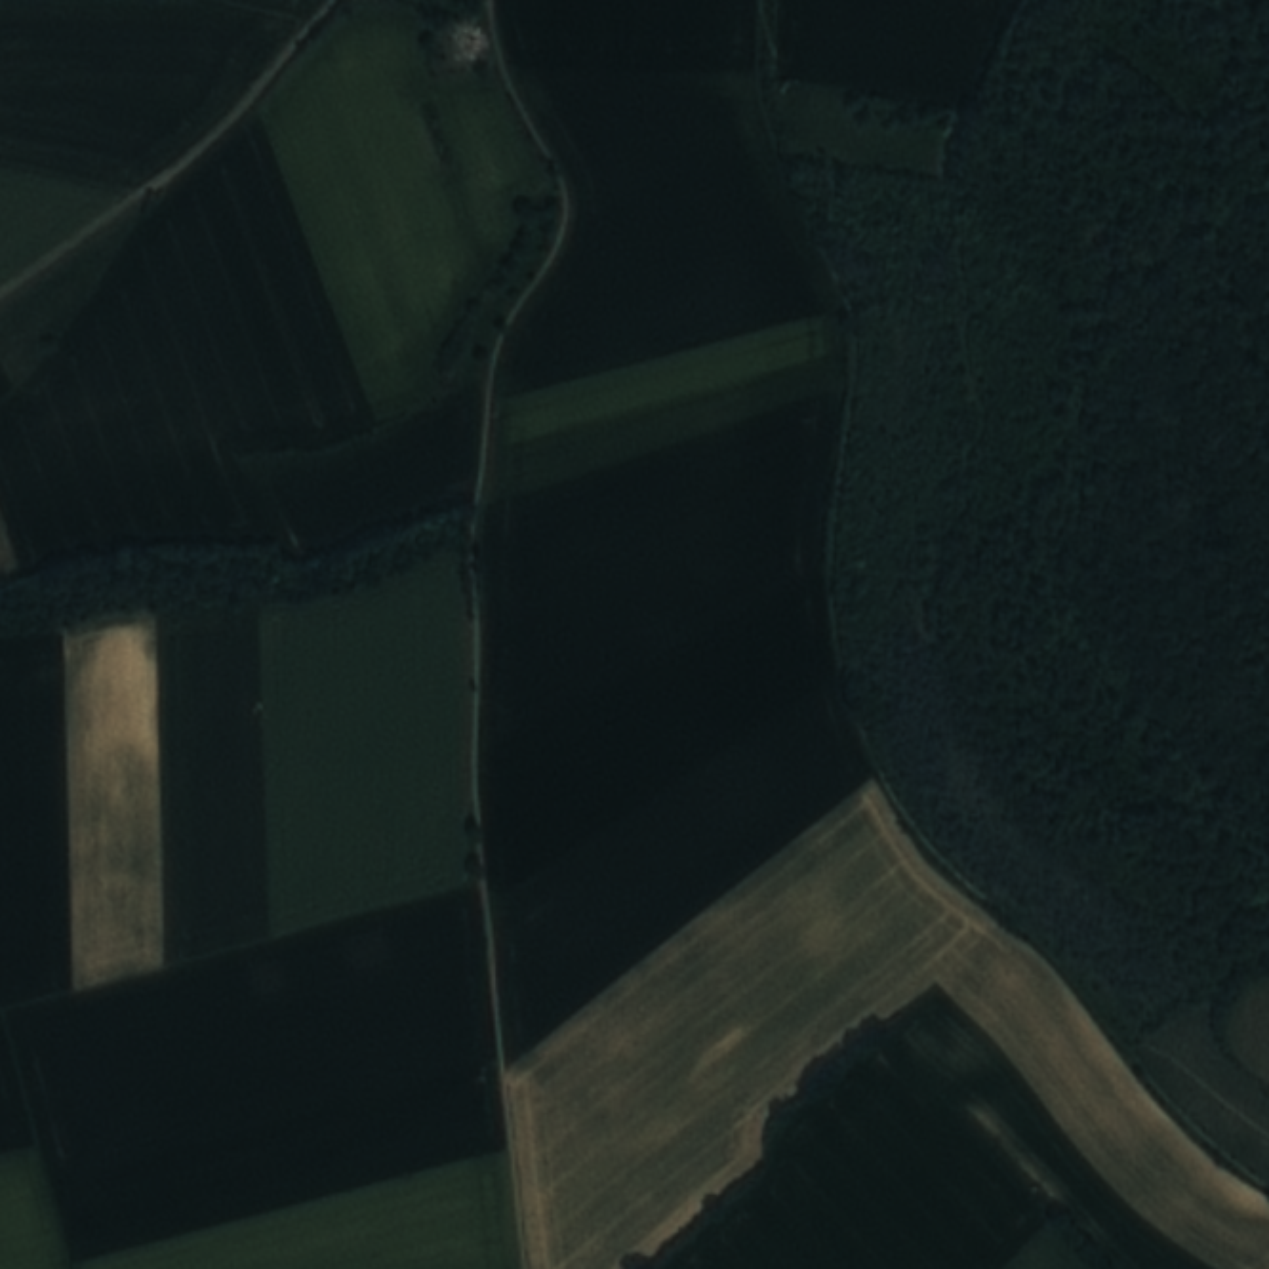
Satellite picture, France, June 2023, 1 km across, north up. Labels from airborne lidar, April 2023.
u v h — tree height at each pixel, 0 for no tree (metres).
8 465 0
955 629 12
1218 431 21
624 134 0
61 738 0
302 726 0
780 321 0
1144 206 13
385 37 0
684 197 0
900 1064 0
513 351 0
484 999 0
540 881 0
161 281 0
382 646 0
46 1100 0
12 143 0
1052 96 23
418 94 0
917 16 0
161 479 0
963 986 0
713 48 0
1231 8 23
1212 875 19
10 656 0
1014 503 5
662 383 0
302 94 0
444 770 0
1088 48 13
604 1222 0
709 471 0
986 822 11
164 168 0
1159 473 19
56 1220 0
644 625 0
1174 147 18
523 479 0
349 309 0
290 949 0
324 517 0
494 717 0
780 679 0
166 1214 0
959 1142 0
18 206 0
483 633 0
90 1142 0
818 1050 0
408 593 0
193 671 0
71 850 0
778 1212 0
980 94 7
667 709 0
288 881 0
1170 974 9
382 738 0
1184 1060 0
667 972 0
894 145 0
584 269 0
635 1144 0
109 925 0
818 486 0
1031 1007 0
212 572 20
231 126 0
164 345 0
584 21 0
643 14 0
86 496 0
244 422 0
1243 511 23
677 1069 0
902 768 7
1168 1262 0
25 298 0
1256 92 14
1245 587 24
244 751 0
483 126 0
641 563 0
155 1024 0
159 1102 0
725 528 0
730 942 0
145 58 0
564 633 0
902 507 6
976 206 12
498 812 0
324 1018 0
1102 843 14
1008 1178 0
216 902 0
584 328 0
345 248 0
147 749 0
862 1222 0
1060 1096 0
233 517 0
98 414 0
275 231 0
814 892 0
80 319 0
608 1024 0
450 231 0
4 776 0
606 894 0
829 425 0
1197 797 18
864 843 0
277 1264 0
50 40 0
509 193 0
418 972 0
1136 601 20
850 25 0
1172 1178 0
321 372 0
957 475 8
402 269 0
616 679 0
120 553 16
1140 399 23
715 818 0
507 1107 0
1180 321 19
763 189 0
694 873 0
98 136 0
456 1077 0
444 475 0
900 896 0
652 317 0
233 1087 0
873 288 11
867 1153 0
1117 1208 0
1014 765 14
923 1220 0
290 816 0
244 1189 0
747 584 0
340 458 0
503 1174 0
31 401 0
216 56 0
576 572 0
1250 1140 0
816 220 11
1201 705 19
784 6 0
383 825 0
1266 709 17
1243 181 14
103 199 0
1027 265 9
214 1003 0
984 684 17
